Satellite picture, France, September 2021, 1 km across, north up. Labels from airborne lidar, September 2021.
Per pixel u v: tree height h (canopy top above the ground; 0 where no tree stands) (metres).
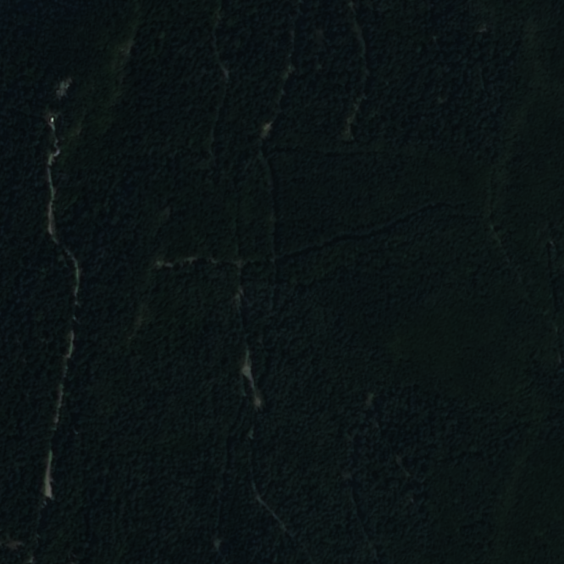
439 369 18
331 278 18
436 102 33
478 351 20
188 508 31
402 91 30
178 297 27
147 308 13
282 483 20
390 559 21
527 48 17
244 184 23
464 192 20
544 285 16
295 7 10
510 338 18
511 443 27
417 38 8
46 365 20
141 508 19
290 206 26
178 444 22
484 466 23
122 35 18
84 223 28
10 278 26
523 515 24
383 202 23
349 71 27
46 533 14
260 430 30
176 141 27
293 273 20
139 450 16
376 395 10
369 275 25
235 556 18
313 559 21
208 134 28
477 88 22
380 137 30
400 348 18
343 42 31
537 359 17
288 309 32
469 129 29
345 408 18
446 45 23
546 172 22
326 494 14
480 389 20
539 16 17
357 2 20
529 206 21
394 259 22
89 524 26
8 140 25
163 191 27
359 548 25
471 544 22
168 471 30
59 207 11
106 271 30
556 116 28
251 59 24
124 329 17
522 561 24
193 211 29
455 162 19
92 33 15
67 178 21
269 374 34
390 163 25
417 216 19
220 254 20
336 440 29
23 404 27
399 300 27
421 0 28
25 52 22
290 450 25
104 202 24
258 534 26
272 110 30
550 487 23
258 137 27
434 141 27
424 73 35
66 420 15
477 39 18
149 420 31
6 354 25
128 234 20
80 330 31
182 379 32
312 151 22
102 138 18
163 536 34
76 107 14
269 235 19
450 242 22
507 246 17
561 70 24
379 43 28
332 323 23
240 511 26
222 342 21
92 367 28
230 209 20
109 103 23
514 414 24
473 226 24
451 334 19
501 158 18
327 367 29
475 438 21
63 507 20
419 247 21
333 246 23
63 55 16
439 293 18
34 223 16
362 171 27
